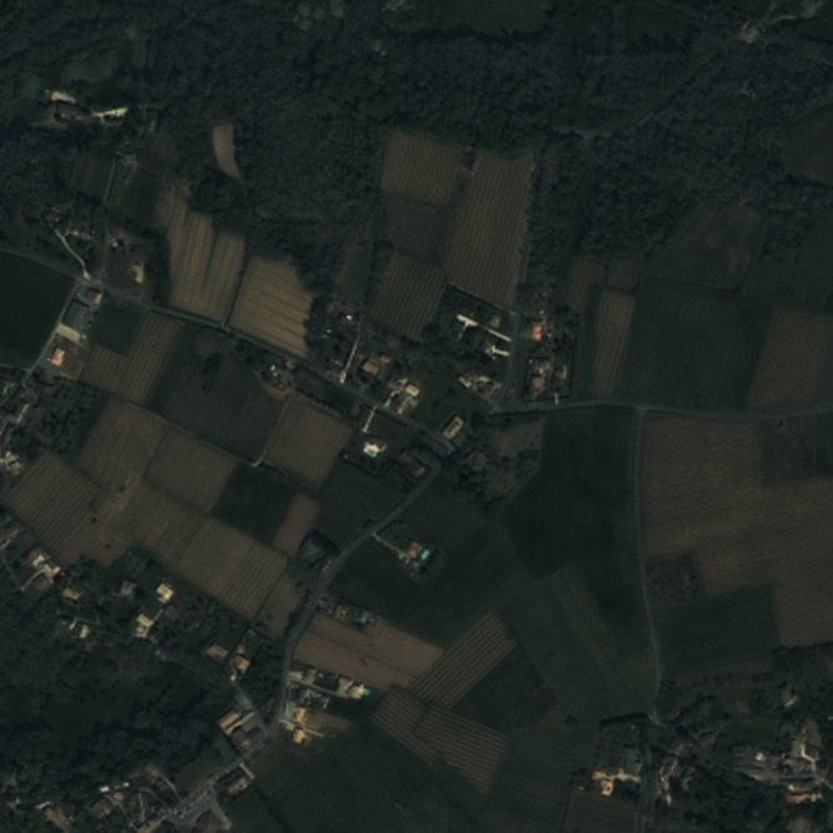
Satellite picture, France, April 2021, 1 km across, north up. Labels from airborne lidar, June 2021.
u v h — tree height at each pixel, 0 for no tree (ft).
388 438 0
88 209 43
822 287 0
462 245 0
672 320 0
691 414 0
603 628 0
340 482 0
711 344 0
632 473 0
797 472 0
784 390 0
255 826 0
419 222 0
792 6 33
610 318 0
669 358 0
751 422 0
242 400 0
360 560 0
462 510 0
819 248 0
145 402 0
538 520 0
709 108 48
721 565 0
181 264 0
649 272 0
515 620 0
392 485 0
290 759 0
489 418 36
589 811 0
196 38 90
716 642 0
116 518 0
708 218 0
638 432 0
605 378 0
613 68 78
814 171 0
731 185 59
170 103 41
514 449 0
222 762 53
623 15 42
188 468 0
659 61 72
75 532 0
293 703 0
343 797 0
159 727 47
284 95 57
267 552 0
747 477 0
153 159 0
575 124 40
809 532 0
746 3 0
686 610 0
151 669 56
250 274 0
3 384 0
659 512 0
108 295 38
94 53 43
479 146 51
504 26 0
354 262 0
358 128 22
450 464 36
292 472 0
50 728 68
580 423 0
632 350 0
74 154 50
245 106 28
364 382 26
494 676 0
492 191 0
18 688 26
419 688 0
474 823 0
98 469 0
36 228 59
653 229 29
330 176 48
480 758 0
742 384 0
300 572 0
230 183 51
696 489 0
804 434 0
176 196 0
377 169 31
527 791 0
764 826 76
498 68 77
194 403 0
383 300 0
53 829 29
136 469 0
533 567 0
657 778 46
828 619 0
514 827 0
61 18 75
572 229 41
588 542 0
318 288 58
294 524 0
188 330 0
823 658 0
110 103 0
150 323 0
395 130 42
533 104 34
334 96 51
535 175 31
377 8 67
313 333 58
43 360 0
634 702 0
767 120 20
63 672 55
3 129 0
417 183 0
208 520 0
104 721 0
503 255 0
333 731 0
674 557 0
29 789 52
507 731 0
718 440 0
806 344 0
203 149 78
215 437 0
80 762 30
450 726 0
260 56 70
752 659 0
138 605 21
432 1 74
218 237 0
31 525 0
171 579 0
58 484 0
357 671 0
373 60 70
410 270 0
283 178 50
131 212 0
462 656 0
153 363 0
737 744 26
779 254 31
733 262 0
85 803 20
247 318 0
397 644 0
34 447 24
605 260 37
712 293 0
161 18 90
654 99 37
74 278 0
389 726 0
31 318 0
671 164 63
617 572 0
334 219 32
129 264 0
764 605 0
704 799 51
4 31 84
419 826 0
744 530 0
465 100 79
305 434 0
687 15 55
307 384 0
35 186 62
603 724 25
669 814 63
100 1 68
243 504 0
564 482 0
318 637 0
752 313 0
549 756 0
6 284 0
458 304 20
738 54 58
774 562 0
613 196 55
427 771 0
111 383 0
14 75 33
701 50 83
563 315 41
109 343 0
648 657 0
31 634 49
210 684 71
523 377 0
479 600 0
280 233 26
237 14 93
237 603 0
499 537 0
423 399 0
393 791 0
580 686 0
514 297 0
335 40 76
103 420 0
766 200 33
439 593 0
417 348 52
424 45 82
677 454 0
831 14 40
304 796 0
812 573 0
